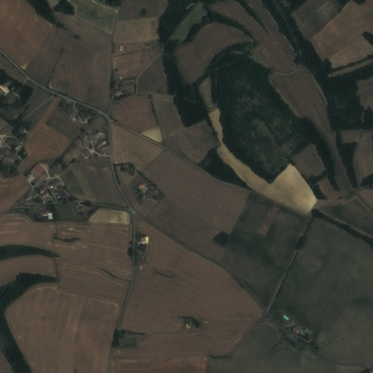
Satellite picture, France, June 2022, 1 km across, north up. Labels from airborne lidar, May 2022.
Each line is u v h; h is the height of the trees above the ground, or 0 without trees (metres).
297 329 0
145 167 0
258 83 10
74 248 0
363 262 0
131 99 0
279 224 0
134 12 0
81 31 0
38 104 0
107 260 0
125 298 0
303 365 0
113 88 8
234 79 7
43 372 0
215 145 0
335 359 0
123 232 0
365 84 0
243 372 0
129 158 0
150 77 0
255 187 0
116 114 0
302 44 10
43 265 0
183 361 0
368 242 10
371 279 0
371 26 0
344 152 11
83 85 0
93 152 0
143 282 0
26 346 0
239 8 0
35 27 0
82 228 0
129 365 0
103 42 0
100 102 0
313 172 0
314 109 0
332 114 16
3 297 13
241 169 0
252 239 0
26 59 0
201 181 0
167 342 0
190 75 0
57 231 0
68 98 0
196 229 0
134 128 0
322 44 0
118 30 0
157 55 0
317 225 0
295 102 0
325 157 16
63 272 0
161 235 0
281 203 0
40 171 0
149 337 0
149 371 0
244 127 6
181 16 16
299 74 0
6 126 0
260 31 0
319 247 0
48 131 0
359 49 0
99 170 0
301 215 0
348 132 0
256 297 0
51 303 0
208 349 0
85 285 0
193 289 0
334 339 0
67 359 0
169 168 0
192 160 0
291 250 0
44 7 19
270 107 10
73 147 0
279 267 0
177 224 0
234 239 0
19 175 0
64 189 9
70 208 0
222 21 12
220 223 0
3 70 10
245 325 0
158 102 0
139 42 0
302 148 9
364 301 0
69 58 0
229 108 7
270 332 0
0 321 9
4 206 0
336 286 0
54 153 0
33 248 7
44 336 0
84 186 0
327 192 0
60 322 0
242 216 0
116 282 0
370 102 0
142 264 0
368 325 0
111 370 0
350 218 0
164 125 0
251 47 12
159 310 0
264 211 0
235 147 10
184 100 12
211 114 0
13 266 0
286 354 0
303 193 0
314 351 7
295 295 0
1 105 13
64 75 0
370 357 0
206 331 0
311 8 0
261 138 5
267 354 0
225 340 0
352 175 10
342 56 0
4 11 0
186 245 0
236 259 0
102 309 0
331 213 0
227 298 0
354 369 0
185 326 0
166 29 19
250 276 0
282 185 0
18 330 0
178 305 0
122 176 0
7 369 0
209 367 0
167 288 0
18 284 0
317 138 14
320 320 0
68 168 0
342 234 0
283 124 7
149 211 0
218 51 0
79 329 0
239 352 0
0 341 0
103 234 0
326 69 8
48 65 0
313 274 0
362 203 0
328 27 0
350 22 0
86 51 0
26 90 11
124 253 0
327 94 11
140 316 0
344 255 0
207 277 0
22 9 0
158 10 0
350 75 9
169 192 0
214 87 14
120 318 0
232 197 0
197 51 0
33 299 0
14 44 0
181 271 0
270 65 0
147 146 0
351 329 0
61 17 0
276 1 8
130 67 0
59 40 0
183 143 0
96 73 0
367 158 0
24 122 7
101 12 0
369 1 0
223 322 0
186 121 10
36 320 0
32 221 0
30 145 0
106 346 0
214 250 0
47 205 9
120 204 0
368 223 0
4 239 0
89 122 6
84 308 0
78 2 0
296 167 0
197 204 0
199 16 0
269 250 0
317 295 0
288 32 11
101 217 0
